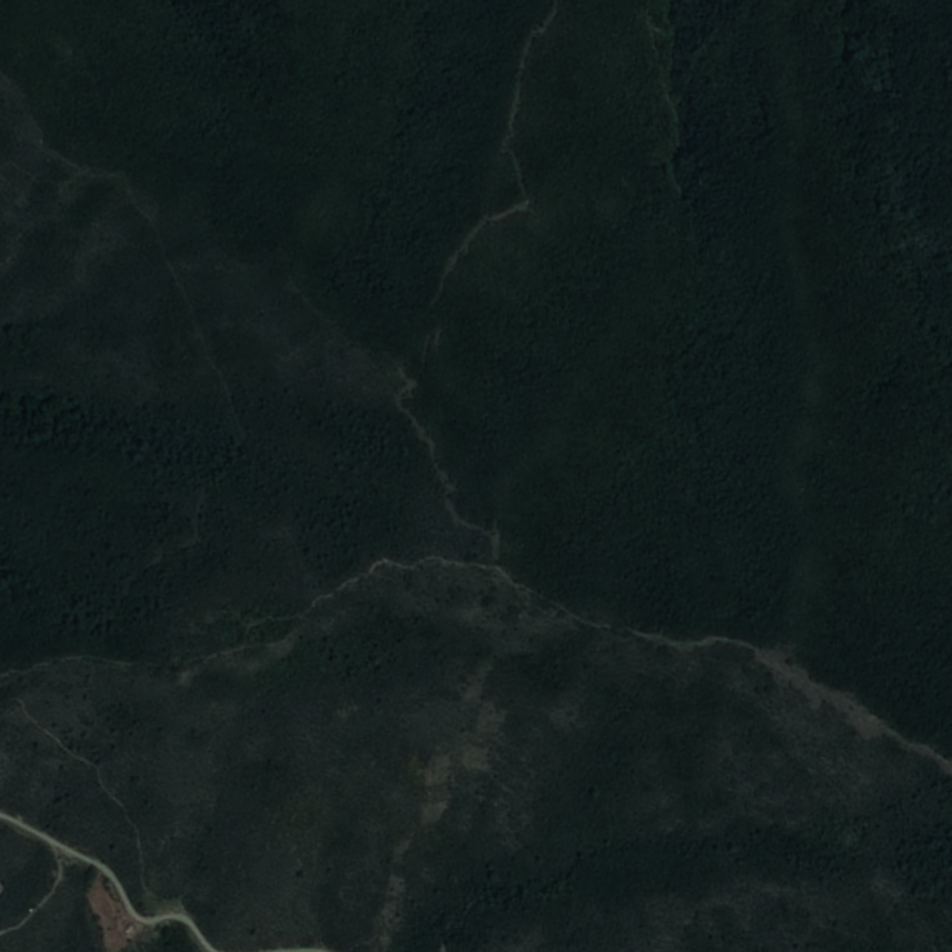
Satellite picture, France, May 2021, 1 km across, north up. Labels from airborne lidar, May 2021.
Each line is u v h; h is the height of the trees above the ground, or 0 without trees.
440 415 6
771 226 6
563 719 0
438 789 0
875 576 10
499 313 10
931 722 9
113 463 8
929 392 13
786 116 6
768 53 8
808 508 7
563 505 9
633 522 6
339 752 0
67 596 6
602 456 7
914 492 13
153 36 8
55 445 10
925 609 7
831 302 11
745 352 8
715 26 11
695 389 13
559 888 12
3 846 0
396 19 6
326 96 10
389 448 11
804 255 7
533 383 8
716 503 14
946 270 13
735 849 10
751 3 9
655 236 6
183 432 7
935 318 16
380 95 6
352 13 7
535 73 6
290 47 6
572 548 12
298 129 7
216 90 7
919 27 13
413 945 7
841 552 8
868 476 7
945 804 10
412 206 7
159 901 0
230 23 13
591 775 6
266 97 9
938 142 15
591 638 5
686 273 10
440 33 8
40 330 5
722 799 6
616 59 7
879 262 15
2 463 6
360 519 11
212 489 6
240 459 7
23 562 8
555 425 6
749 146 9
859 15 27
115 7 9
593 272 6
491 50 6
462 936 7
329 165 6
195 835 6
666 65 7
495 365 9
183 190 6
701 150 14
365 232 9
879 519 7
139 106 8
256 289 0
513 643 0
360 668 8
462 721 0
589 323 7
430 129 7
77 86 10
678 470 9
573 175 6
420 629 6
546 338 7
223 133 10
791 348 6
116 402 8
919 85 15
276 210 7
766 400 7
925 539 10
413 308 7
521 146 8
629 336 10
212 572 7
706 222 10
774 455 7
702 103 10
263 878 0
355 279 8
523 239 6
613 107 7
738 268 8
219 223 8
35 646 7
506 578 0
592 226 11
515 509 6
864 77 21
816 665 8
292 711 0
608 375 7
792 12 12
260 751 0
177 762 0
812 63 11
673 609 7
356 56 6
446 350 6
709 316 10
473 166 8
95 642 6
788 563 5
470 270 6
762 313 8
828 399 8
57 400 18
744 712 5
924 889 13
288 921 0
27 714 0
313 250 7
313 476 10
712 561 6
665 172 14
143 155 8
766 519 7
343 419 6
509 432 7
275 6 10
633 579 10
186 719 0
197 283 0
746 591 7
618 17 12
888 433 11
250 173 8
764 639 5
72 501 6
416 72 7
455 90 10
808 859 10
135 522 6
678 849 6
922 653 11
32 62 6
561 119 7
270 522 6
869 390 9
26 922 0
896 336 11
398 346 6
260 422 6
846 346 8
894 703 9
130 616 6
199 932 0
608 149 8
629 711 6
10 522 5
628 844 7
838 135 20
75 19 6
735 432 6
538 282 6
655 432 10
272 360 0
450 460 6
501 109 6
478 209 6
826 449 6
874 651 6
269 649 0
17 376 6
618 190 8
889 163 16
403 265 7
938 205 18
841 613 11
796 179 7
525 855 7
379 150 8
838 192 16
